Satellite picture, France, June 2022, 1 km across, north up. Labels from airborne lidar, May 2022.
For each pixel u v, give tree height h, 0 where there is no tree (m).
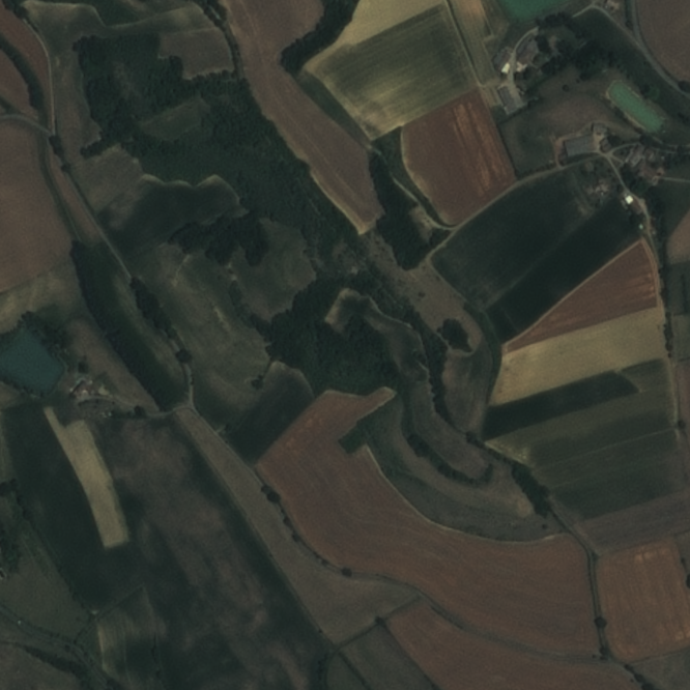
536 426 0
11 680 0
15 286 0
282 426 0
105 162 0
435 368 11
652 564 0
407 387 6
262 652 0
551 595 0
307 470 0
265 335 6
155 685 0
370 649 0
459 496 0
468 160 0
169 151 13
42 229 0
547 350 0
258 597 0
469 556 0
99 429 0
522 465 11
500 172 0
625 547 0
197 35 0
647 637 0
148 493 0
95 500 0
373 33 0
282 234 0
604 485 0
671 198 0
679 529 0
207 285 0
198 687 0
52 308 0
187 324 0
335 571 0
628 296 0
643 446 0
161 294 0
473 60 0
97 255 0
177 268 0
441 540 0
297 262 0
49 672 0
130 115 10
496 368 5
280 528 0
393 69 0
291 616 0
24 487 0
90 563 0
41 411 0
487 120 0
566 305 0
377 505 0
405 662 0
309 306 13
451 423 9
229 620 0
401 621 0
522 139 0
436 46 0
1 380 23
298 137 0
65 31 0
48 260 0
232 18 0
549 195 0
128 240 0
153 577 0
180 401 0
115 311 0
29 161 0
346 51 0
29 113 0
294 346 13
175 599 0
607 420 0
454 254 0
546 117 0
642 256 0
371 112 0
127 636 0
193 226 16
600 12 0
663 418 0
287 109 0
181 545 0
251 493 0
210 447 0
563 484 0
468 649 0
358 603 0
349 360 9
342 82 0
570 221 0
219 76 7
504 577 0
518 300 0
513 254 0
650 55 0
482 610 0
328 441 0
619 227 0
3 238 0
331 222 6
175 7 0
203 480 0
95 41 19
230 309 0
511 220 0
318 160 0
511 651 0
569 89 9
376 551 0
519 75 14
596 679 0
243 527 0
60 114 0
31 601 0
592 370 0
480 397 0
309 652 0
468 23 0
